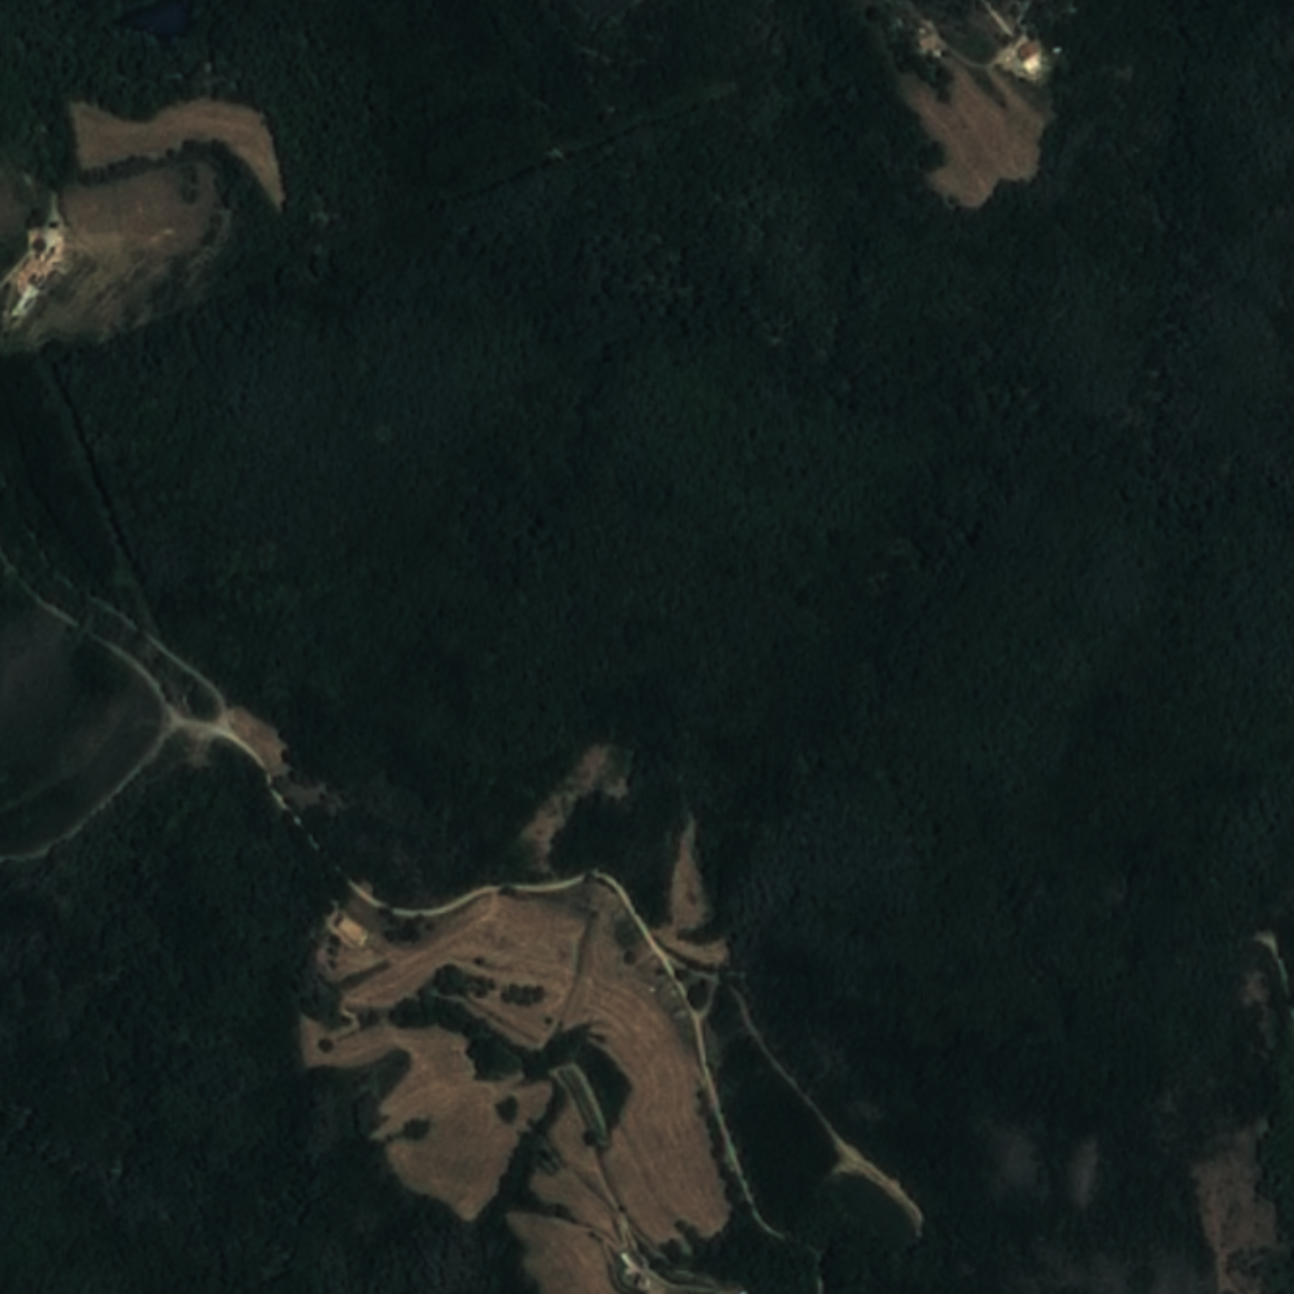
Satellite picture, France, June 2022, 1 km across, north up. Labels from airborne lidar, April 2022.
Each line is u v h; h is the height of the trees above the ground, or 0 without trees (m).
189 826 15
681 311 20
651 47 13
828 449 16
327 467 18
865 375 18
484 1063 12
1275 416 17
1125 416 15
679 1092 0
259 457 21
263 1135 15
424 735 17
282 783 11
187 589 14
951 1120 6
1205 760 19
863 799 20
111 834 13
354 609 20
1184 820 17
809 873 16
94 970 15
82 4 16
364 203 16
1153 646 16
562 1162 0
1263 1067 8
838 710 19
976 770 12
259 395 23
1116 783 22
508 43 13
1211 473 19
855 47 16
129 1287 12
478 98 11
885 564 18
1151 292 15
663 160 15
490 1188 0
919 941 16
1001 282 9
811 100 18
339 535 20
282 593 15
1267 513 23
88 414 15
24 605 10
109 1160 17
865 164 12
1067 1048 12
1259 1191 13
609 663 15
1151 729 21
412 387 14
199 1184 14
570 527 21
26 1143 19
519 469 19
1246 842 10
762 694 17
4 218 0
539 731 21
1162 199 17
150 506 22
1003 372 13
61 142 12
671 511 17
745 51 8
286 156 19
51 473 14
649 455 15
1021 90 0
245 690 6
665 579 18
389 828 9
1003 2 9
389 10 13
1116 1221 7
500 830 11
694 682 17
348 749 11
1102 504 20
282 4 15
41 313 0
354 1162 15
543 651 18
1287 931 7
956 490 17
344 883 13
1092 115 12
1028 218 13
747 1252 11
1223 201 18
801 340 17
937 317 14
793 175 12
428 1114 0
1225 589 18
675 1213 0
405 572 20
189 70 14
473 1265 9
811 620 13
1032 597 16
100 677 11
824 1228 15
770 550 17
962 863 17
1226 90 16
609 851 7
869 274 12
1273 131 15
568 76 13
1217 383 15
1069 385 14
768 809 23
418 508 17
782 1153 6
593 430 18
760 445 12
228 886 18
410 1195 7
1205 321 11
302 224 19
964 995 17
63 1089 16
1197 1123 10
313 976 11
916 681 19
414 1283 15
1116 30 10
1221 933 13
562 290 18
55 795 7
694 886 0
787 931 15
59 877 15
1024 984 14
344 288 20
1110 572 18
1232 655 21
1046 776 12
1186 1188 12
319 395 20
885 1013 12
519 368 16
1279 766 12
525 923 0
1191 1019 11
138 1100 16
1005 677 12
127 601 12
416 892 6
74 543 11
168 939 18
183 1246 13
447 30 9
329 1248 16
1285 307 11
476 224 19
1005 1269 7
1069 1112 10
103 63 22
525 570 21
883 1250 12
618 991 0
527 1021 0
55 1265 15
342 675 18
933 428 20
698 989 10
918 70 9
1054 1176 7
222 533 23
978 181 0
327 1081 15
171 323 13
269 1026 11
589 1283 0
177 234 0
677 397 14
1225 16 20
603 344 25
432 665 21
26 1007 6
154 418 20
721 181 14
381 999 0
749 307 20
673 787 15
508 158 11
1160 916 13
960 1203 11
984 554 17
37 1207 18
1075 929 15
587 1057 6
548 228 19
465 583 21
